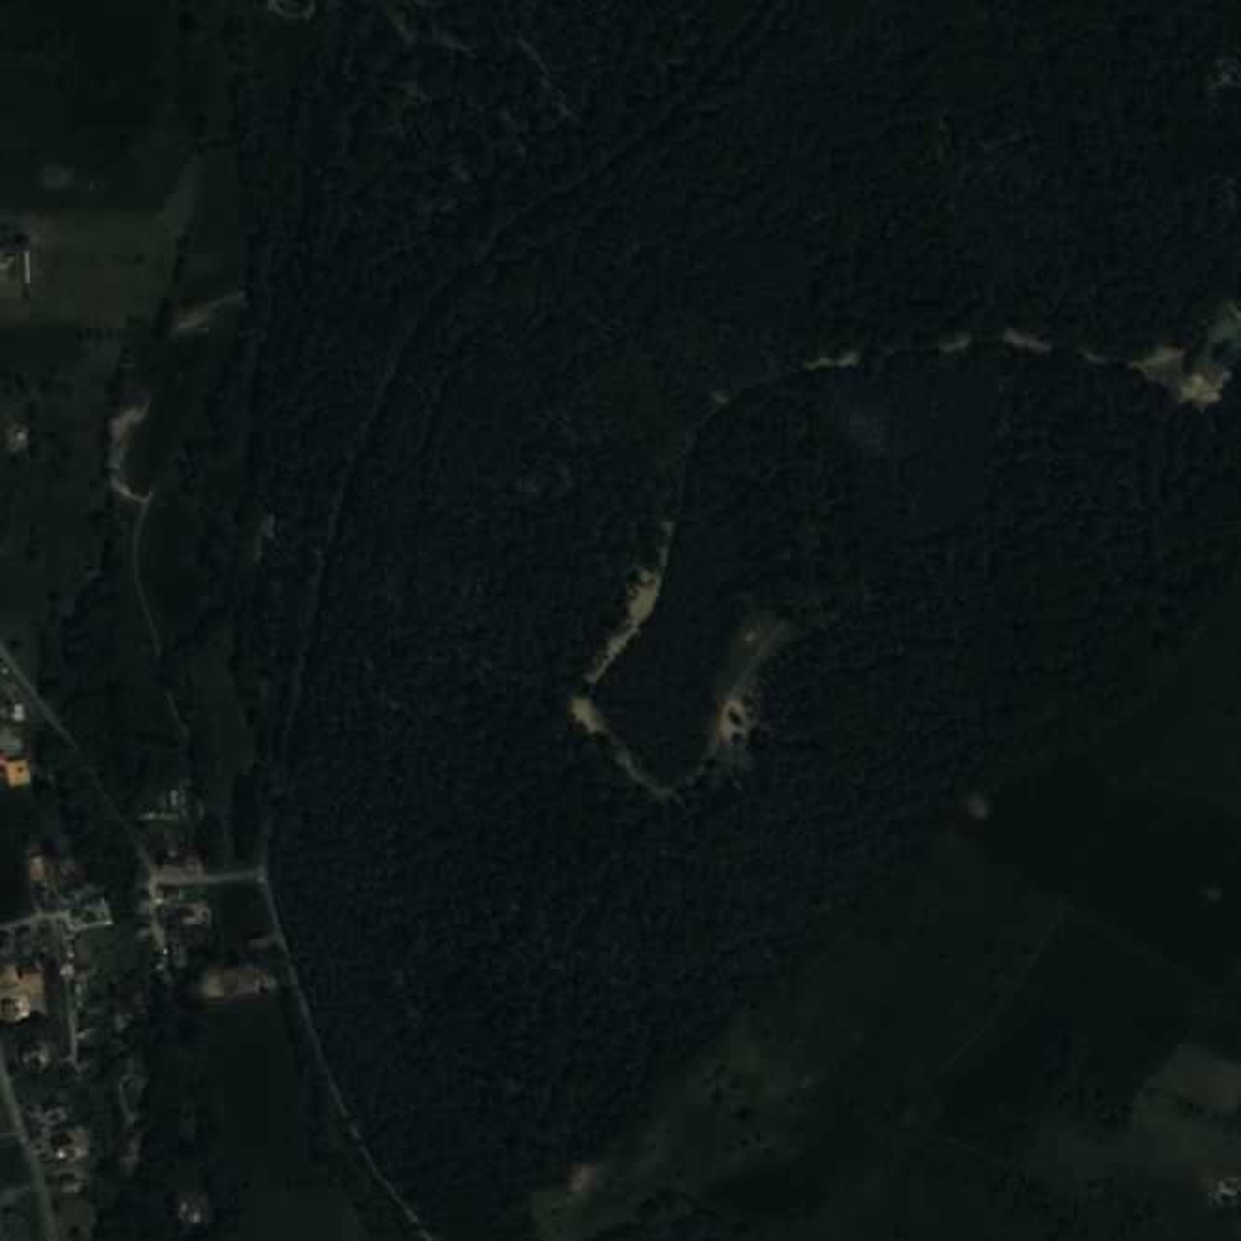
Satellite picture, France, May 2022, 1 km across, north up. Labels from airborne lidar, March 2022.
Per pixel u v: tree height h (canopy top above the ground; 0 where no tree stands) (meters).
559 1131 28
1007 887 0
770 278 17
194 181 0
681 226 25
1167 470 26
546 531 24
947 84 26
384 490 27
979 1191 0
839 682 26
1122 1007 0
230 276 0
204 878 0
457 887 26
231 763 0
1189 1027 0
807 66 30
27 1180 0
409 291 26
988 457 20
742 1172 0
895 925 0
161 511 0
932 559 24
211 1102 21
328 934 27
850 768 31
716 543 12
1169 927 0
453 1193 27
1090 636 31
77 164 0
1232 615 0
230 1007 0
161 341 11
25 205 0
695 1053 25
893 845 26
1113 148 24
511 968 21
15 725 0
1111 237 29
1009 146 15
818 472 27
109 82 15
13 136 0
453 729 28
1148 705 0
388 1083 26
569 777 21
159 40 0
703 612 10
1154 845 0
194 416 0
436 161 0
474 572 25
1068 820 0
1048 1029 0
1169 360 0
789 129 27
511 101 22
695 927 28
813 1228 0
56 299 0
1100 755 0
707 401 26
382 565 24
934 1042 0
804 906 26
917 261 27
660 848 24
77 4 0
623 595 24
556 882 28
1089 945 0
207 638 18
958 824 0
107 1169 20
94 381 0
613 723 16
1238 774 0
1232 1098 0
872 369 17
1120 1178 0
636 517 25
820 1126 0
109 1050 7
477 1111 33
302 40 0
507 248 24
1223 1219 0
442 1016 29
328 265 26
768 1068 0
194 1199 0
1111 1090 0
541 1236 0
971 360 17
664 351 24
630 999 29
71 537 0
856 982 0
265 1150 0
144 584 0
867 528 18
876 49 26
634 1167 0
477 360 27
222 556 16
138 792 20
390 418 21
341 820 28
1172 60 20
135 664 0
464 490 23
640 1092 25
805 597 28
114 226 0
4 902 0
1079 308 18
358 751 26
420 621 24
